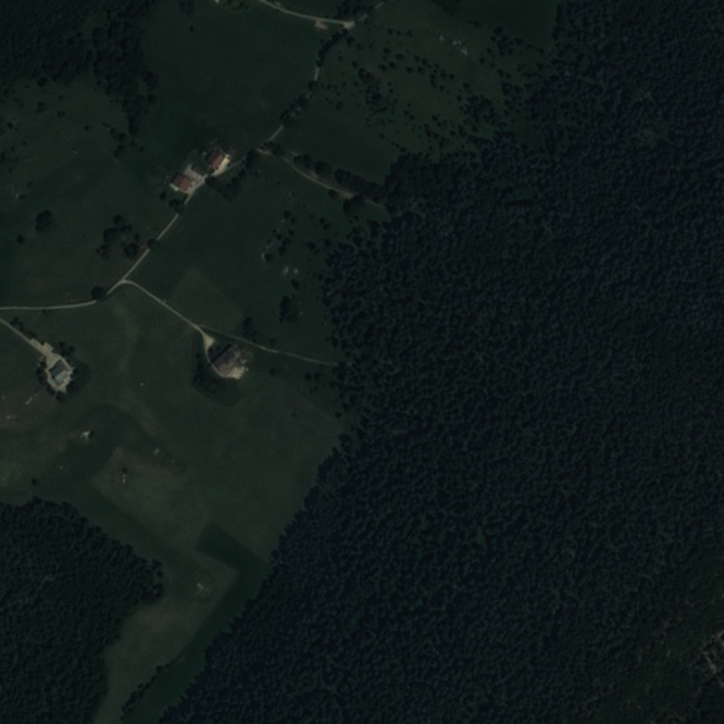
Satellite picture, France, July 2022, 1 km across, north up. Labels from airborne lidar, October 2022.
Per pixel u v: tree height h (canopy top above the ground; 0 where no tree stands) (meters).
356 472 20
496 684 27
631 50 25
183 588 0
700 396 23
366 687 27
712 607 14
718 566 14
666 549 13
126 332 0
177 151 0
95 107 0
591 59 11
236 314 0
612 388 25
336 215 0
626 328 20
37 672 23
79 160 0
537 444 20
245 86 0
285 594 18
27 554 15
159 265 0
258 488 0
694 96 13
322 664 23
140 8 25
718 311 29
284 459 0
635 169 17
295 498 0
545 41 0
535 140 0
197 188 0
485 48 0
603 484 21
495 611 19
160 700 0
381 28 0
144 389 0
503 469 23
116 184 0
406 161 22
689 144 33
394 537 24
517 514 14
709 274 16
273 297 0
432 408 25
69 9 25
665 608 19
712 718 28
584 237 23
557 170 20
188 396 0
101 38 18
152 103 14
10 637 21
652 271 25
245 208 0
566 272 32
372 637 33
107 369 0
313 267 0
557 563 20
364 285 25
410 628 29
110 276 0
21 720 25
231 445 0
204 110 0
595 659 24
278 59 0
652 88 30
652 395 17
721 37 19
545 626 23
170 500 0
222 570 0
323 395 0
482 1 0
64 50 23
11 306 0
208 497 0
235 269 0
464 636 31
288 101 0
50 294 0
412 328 15
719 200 24
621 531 23
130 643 0
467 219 37
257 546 0
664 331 19
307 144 0
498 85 0
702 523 21
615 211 18
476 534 32
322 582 12
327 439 0
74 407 0
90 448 0
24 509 8
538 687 24
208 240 0
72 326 0
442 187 8
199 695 24
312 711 30
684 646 7
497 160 24
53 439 0
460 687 23
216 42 0
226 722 33
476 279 31
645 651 8
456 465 26
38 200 0
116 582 15
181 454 0
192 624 0
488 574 22
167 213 0
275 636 14
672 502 21
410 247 28
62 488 0
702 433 26
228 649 28
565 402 21
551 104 27
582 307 21
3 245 0
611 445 15
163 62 0
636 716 15
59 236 0
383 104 18
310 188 0
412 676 28
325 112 0
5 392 0
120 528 0
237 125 0
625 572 17
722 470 21
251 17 0
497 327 31
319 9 0
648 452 19
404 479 28
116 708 0
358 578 28
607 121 20
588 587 28
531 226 31
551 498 19
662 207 25
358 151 0
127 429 0
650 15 24
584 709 13
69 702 24
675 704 26
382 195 20
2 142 0
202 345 0
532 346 25
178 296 0
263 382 0
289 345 0
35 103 0
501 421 32
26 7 30
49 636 18
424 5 0
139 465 0
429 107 0
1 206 0
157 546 0
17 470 0
